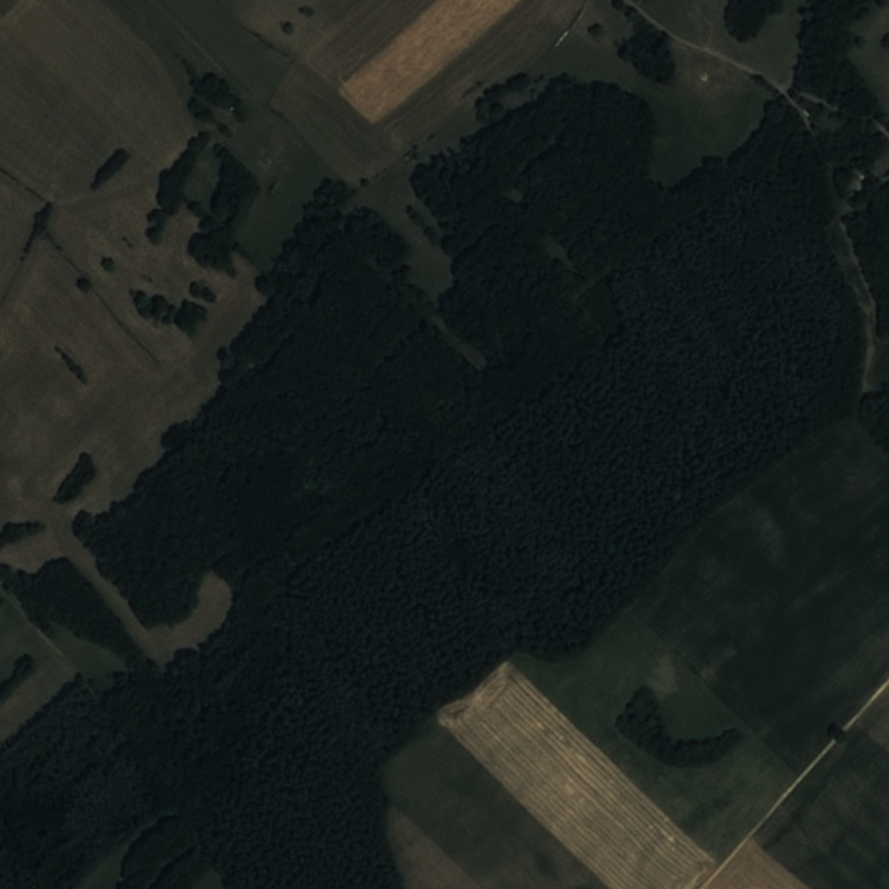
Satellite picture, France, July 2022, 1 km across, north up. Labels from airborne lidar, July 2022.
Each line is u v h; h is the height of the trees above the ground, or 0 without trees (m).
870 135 11
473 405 16
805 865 0
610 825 0
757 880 0
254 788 27
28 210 0
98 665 0
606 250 19
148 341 0
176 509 22
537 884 0
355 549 29
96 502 0
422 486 22
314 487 18
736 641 0
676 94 0
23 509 0
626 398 28
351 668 26
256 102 0
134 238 0
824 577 0
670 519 28
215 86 18
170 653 0
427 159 0
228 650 21
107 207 0
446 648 26
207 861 15
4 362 0
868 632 0
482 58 0
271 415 21
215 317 0
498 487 21
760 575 0
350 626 31
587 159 23
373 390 22
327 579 28
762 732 0
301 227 8
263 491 22
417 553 27
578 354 20
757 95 0
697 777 0
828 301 16
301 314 23
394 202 0
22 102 0
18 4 0
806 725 0
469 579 19
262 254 0
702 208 15
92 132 0
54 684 0
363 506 23
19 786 18
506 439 27
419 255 0
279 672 22
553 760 0
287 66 0
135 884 19
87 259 0
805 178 11
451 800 0
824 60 18
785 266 18
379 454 24
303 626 16
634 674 0
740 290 22
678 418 28
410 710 28
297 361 18
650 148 20
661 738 17
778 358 28
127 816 8
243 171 17
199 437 17
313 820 31
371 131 0
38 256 0
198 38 0
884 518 0
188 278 0
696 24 0
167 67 0
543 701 0
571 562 18
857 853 0
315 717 30
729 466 26
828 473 0
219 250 24
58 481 0
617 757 0
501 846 0
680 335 23
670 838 0
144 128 0
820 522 0
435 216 12
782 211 19
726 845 0
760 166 22
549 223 19
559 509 26
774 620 0
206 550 23
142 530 22
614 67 0
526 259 19
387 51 0
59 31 0
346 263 23
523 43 0
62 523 0
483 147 23
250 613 20
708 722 0
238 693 21
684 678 0
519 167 18
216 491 23
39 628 8
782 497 0
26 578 17
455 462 21
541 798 0
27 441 0
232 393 19
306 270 18
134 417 0
